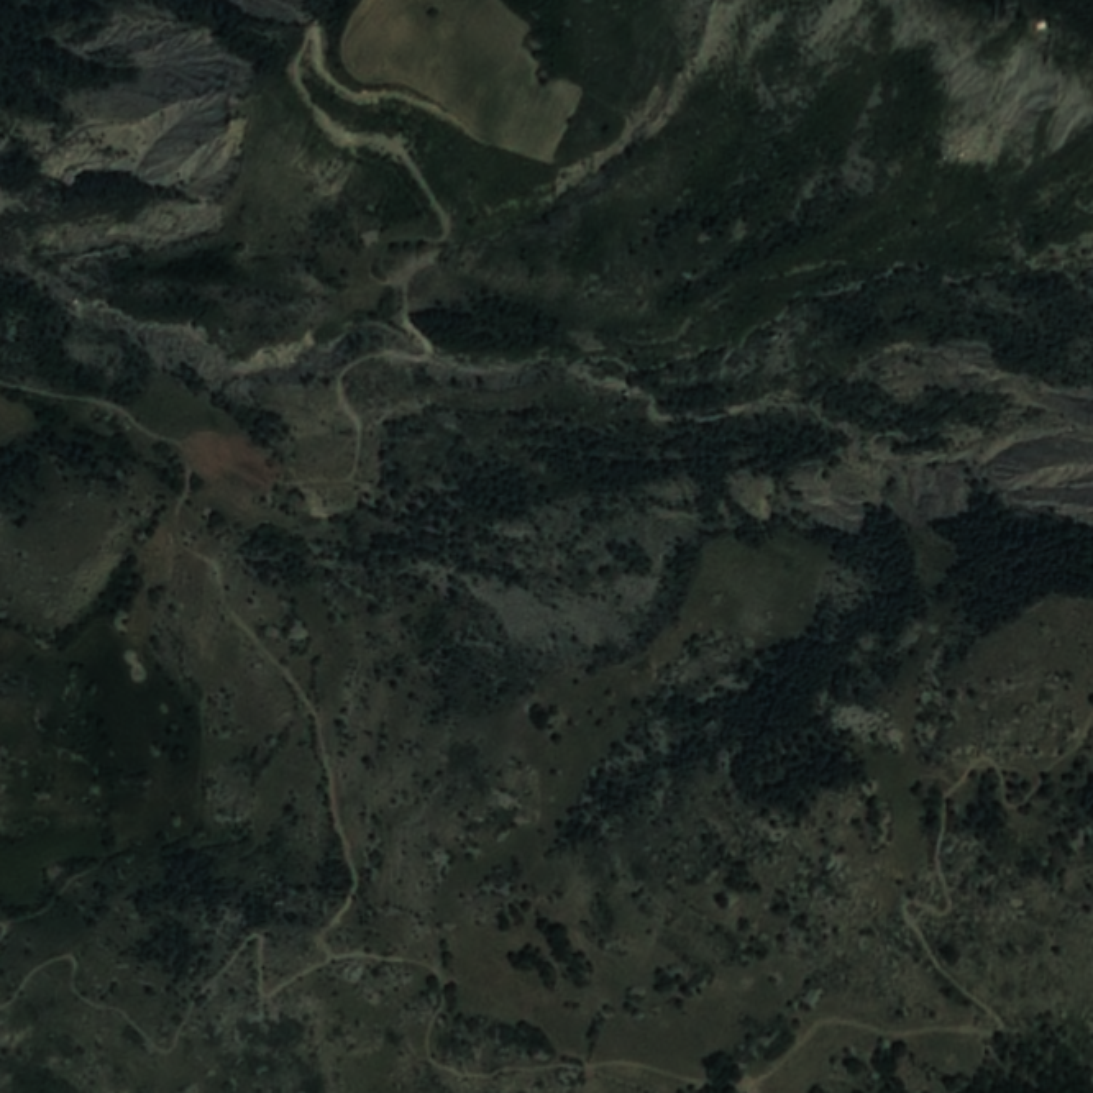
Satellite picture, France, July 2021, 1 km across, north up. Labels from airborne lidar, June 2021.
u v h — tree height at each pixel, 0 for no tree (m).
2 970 6
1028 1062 8
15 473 10
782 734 11
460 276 0
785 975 0
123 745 0
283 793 0
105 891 7
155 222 0
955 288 7
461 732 0
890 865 0
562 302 0
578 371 0
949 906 0
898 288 5
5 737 0
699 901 0
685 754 8
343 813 0
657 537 0
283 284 0
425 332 10
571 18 0
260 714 0
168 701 0
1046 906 0
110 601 7
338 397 0
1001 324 7
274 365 0
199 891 6
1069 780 8
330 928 0
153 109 0
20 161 19
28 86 8
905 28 0
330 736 0
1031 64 0
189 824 0
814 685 13
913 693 0
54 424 8
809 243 0
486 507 6
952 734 0
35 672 0
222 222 0
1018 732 0
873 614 10
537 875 0
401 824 0
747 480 0
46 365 6
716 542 0
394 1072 0
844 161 6
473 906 0
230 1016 0
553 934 13
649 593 0
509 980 0
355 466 0
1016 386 0
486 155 0
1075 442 0
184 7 12
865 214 0
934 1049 0
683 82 0
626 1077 0
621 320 0
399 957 0
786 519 7
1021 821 0
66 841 0
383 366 0
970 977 0
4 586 0
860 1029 0
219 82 0
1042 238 10
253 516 0
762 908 0
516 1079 0
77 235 0
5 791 0
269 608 0
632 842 0
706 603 0
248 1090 0
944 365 0
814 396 8
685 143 0
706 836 7
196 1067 0
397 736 0
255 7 0
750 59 0
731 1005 0
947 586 8
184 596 0
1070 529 9
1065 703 0
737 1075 13
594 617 0
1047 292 9
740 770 11
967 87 0
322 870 6
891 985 0
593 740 0
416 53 0
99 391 6
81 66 16
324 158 0
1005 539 12
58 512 0
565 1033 0
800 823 6
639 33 0
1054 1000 0
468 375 0
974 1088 11
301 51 0
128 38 0
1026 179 0
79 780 0
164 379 0
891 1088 11
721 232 6
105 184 15
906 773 0
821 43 0
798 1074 0
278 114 0
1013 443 0
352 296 0
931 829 7
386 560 7
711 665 0
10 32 8
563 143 0
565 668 0
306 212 0
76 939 0
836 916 0
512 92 0
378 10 0
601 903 6
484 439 0
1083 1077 7
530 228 0
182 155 0
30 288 10
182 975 7
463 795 0
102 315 0
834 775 9
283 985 0
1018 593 14
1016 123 0
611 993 0
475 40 0
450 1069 0
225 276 9
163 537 0
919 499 0
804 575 0
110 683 0
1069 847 10
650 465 10
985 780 8
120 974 0
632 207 0
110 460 6
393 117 7
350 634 0
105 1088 0
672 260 0
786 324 0
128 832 0
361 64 0
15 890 0
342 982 0
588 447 9
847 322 6
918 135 6
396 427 10
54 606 0
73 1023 0
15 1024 0
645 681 0
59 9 15
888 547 8
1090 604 0
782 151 9
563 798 0
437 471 6
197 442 0
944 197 0
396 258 0
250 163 0
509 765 0
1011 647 0
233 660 0
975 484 9
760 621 0
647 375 8
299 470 0
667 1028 0
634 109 0
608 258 0
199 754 0
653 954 0
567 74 0
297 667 0
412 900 0
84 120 0
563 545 5
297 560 8
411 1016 0
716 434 8
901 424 7
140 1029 0
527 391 0
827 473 8
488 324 7
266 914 7
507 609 0
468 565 8
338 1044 0
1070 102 0
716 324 0
